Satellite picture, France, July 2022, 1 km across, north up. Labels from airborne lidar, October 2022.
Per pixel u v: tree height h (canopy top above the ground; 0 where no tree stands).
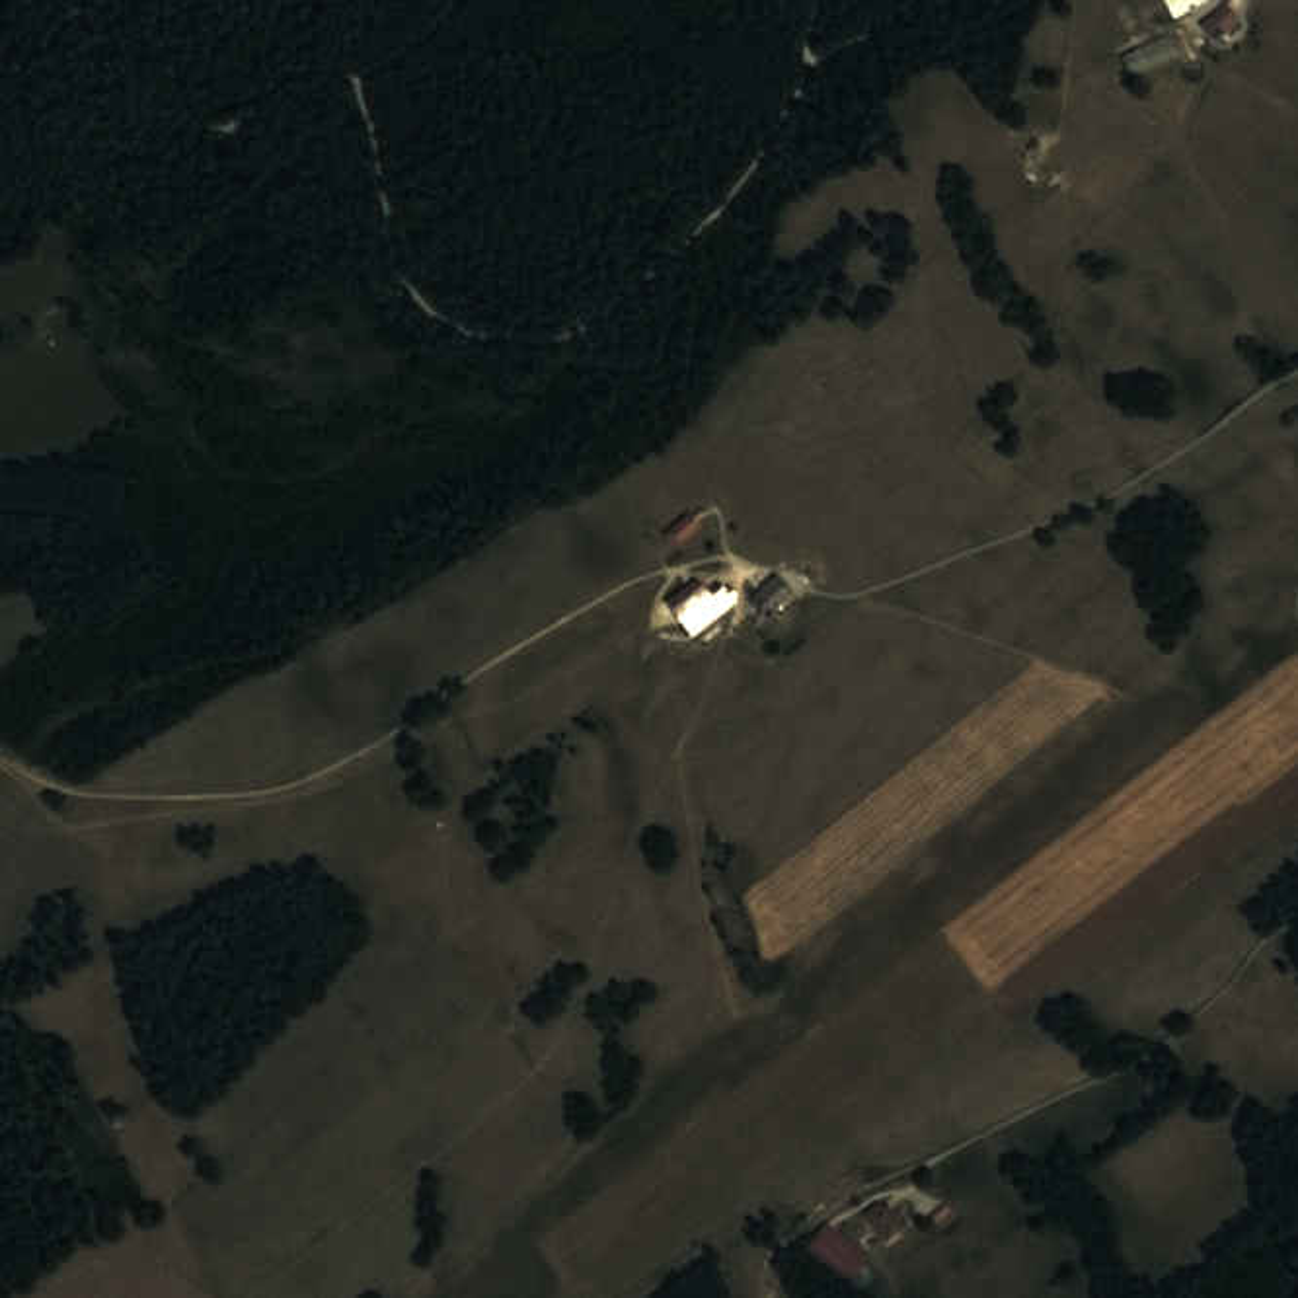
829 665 0
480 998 0
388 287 32
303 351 0
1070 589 0
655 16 12
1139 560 25
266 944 27
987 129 0
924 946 0
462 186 20
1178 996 0
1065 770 0
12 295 0
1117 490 0
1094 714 0
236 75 29
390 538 6
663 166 15
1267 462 0
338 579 8
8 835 0
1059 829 0
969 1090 0
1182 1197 0
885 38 28
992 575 0
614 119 12
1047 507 0
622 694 0
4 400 0
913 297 0
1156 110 0
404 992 0
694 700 0
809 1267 15
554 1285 0
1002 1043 0
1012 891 0
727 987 0
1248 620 0
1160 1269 0
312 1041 0
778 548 0
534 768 15
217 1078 9
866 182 0
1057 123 0
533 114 16
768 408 0
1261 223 0
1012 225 0
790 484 0
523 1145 0
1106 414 0
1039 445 0
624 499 0
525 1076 0
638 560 0
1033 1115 0
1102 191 0
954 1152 0
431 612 0
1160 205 0
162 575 17
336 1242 0
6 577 16
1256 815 0
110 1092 0
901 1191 0
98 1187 0
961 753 0
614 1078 16
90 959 15
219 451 10
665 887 0
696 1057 0
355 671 0
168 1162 0
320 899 34
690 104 8
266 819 0
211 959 27
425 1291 0
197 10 16
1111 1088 0
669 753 0
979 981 0
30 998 16
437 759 0
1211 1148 0
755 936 0
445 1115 0
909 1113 0
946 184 13
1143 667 0
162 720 13
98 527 10
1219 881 0
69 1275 0
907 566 0
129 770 0
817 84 31
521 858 21
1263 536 0
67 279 0
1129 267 0
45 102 11
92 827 0
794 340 0
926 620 0
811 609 0
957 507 0
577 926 0
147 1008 26
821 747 0
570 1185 0
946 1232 0
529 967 0
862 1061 0
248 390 6
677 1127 0
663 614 0
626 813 0
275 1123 0
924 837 0
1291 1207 25
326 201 28
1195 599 23
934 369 0
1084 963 0
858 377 0
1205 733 0
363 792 0
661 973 0
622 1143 0
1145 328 0
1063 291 0
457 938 0
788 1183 0
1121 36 0
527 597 0
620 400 11
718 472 0
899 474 0
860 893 0
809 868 0
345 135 31
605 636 0
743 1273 0
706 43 15
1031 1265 0
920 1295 0
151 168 34
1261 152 0
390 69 17
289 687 0
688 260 12
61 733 9
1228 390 0
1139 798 0
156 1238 0
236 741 0
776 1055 0
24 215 13
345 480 6
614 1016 17
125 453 7
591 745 0
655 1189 0
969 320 0
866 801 0
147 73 21
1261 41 0
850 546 0
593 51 11
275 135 28
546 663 0
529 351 31
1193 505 16
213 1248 0
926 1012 0
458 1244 0
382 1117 0
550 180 15
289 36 27
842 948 0
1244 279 0
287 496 7
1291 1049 0
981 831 0
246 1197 0
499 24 18
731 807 0
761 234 12
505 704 0
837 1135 0
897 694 0
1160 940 0
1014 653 0
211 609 7
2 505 26
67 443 0
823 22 15
